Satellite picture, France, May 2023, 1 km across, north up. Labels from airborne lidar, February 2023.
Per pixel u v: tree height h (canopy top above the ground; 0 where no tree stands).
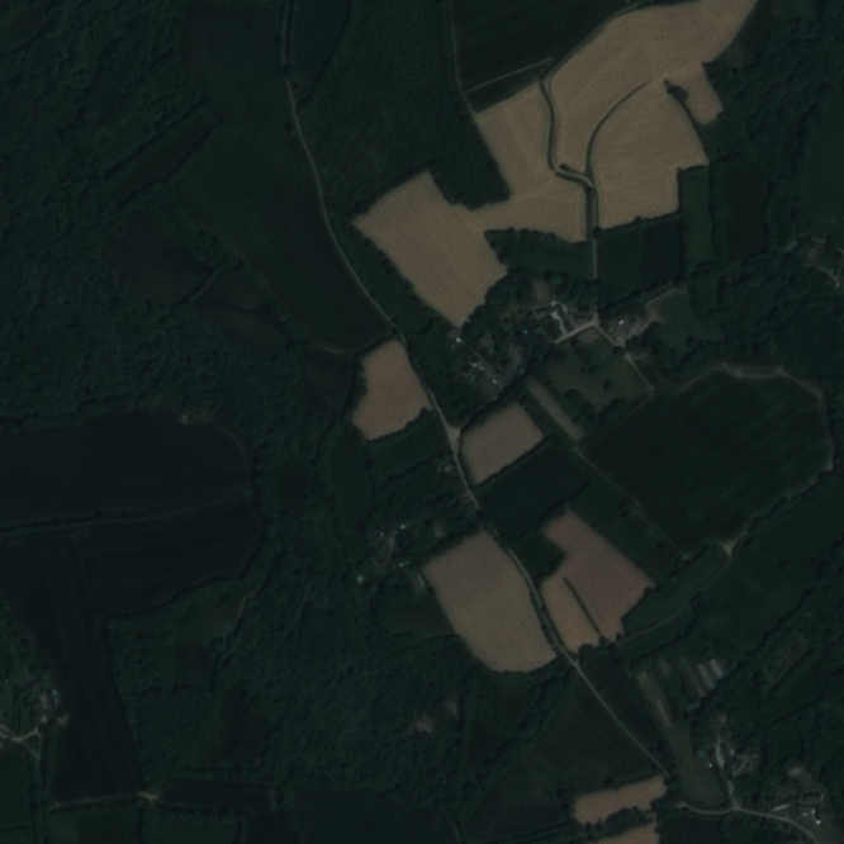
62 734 0
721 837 7
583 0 0
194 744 15
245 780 18
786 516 7
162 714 18
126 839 0
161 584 0
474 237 0
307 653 17
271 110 0
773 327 12
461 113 8
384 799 17
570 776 0
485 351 9
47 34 18
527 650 0
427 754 18
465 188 5
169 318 7
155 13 9
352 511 0
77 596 0
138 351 14
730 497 0
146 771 15
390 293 0
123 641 8
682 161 0
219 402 12
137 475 0
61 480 0
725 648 7
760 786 10
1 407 9
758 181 0
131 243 0
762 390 0
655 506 0
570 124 0
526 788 0
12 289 14
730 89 7
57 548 0
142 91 10
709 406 0
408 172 8
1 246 11
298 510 0
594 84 0
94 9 15
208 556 0
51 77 20
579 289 9
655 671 7
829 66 8
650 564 0
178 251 0
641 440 0
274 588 11
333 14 0
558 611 0
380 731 15
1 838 9
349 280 0
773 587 0
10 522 0
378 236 0
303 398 0
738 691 8
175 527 0
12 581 0
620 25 0
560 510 14
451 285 0
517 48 0
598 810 0
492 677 6
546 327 6
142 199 12
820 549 0
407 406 0
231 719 0
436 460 7
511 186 0
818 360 14
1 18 16
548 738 0
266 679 7
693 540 0
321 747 10
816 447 0
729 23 0
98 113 16
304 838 10
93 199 15
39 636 0
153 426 0
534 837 6
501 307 8
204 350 6
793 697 0
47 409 9
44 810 12
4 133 17
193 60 0
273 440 10
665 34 0
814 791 0
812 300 10
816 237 0
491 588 0
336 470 0
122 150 0
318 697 9
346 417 10
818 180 0
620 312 13
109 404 15
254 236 0
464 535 10
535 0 0
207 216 0
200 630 0
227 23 0
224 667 17
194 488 0
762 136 12
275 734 10
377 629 7
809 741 11
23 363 11
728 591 0
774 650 7
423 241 0
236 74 0
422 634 0
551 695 14
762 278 8
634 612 7
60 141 16
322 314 0
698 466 0
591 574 0
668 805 16
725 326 8
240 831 9
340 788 11
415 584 0
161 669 9
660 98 0
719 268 9
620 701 0
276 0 11
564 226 0
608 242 5
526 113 0
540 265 0
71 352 18
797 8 0
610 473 0
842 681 14
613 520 0
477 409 6
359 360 12
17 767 0
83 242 16
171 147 0
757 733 14
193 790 0
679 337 0
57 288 17
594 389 0
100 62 15
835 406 16
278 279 0
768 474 0
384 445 8
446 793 17
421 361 11
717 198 10
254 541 0
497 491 0
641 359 0
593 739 0
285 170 0
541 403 0
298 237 0
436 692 15
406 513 9
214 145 0
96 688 0
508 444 0
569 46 0
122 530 0
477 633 0
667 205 0
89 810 8
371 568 0
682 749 0
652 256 0
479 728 0
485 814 0
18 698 7
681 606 0
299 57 0
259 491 17
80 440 0
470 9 0
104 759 0
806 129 12
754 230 0
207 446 0
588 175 0
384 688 14
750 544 11
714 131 0
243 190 0
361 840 0
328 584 12
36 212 13
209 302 0
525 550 0
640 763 0
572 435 0
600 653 8
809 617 6
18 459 0
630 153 0
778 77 11
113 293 14
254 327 0
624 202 0
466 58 0
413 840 0
